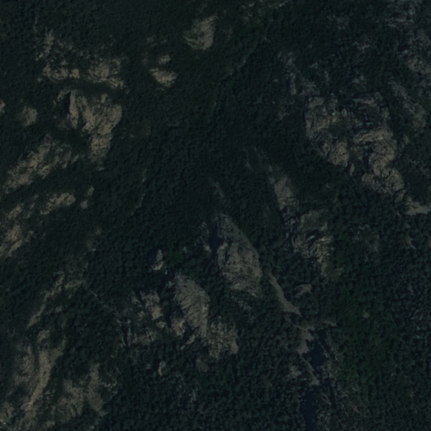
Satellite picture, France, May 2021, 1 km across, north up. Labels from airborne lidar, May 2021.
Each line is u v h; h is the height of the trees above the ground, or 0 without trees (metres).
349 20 7
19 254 17
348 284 31
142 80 18
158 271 8
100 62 14
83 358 20
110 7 18
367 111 11
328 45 10
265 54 23
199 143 19
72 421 13
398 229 17
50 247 10
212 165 12
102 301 12
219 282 25
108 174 23
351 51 15
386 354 12
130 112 19
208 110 21
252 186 17
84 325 23
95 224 11
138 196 18
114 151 21
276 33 22
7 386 11
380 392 23
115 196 23
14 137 15
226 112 11
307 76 10
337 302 17
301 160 22
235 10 9
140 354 12
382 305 21
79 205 13
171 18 20
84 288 20
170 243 20
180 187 11
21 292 17
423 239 20
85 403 6
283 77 8
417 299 10
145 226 15
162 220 23
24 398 0
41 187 16
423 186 18
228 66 24
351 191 25
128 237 9
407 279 6
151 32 18
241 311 8
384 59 21
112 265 22
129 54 10
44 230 13
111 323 22
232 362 13
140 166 28
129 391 21
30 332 11
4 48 20
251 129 8
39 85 12
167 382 10
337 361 10
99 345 19
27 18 8
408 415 10
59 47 8
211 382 29
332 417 17
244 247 11
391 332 29
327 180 11
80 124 8
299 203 11
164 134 16
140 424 17
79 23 27
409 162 10
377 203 22
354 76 8
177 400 13
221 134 14
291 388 14
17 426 7
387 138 0
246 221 20
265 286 26
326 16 6
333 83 8
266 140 12
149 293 7
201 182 17
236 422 14
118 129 18
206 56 14
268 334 17
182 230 17
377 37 14
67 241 11
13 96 21
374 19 23
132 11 23
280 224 8
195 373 22
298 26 18
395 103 17
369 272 17
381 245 6
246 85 16
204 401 9
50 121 16
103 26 20
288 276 9
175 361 27
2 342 14
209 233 6
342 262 7
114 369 13
